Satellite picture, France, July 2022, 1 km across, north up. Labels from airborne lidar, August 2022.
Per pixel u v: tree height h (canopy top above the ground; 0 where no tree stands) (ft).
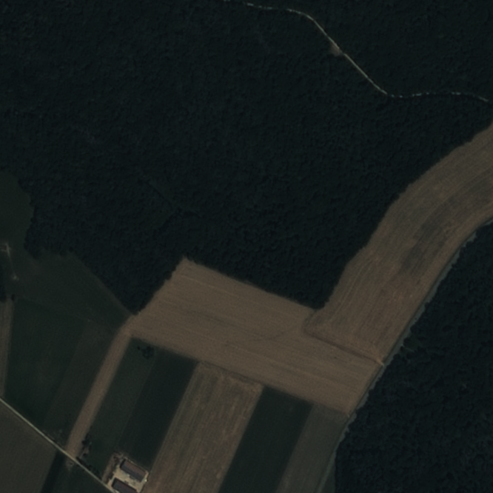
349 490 56
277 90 59
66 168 70
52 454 0
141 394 0
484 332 47
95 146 60
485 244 73
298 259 52
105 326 0
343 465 55
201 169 71
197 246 54
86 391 0
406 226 0
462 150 0
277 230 54
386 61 48
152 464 0
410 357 68
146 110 66
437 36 50
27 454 0
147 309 0
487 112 65
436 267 0
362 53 47
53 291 0
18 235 0
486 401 60
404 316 0
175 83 64
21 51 78
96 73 58
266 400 0
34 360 0
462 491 74
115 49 62
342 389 0
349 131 52
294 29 63
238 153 54
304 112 46
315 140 42
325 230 71
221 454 0
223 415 0
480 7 59
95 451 0
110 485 0
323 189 61
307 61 67
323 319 0
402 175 59
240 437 0
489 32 57
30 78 80
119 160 64
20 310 0
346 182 53
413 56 45
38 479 0
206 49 66
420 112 50
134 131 74
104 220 65
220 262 64
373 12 71
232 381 0
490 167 0
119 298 48
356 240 60
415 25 55
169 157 68
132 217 67
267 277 55
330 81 50
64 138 65
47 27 78
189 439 0
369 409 53
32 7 72
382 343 0
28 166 80
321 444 0
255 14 53
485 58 57
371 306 0
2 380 0
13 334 0
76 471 0
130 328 0
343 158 64
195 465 0
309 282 45
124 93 68
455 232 0
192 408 0
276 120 66
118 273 58
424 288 0
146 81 75
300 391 0
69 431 0
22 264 0
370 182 55
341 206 63
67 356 0
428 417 66
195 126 70
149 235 72
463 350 66
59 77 69
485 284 42
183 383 0
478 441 63
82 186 63
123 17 60
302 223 72
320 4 71
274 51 58
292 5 54
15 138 82
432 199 0
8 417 0
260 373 0
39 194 53
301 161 40
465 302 73
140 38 63
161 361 0
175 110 69
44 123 67
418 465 66
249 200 63
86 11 71
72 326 0
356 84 57
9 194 0
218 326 0
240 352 0
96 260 64
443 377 85
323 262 51
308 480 0
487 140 0
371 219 53
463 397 59
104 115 49
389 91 62
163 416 0
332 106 58
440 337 63
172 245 64
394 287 0
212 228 61
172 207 96
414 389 73
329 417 0
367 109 38
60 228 76
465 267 52
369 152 64
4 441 0
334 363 0
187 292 0
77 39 67
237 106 74
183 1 60
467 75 55
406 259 0
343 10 74
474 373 61
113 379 0
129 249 64
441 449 69
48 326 0
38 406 0
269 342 0
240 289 0
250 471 0
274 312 0
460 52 48
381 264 0
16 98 80
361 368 0
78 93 55
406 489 74
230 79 68
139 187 56
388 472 79
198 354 0
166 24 71
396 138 58
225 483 0
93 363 0
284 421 0
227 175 54
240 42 77
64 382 0
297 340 0
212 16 57
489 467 51
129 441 0
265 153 51
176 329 0
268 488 0
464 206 0
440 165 0
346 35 54
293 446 0
